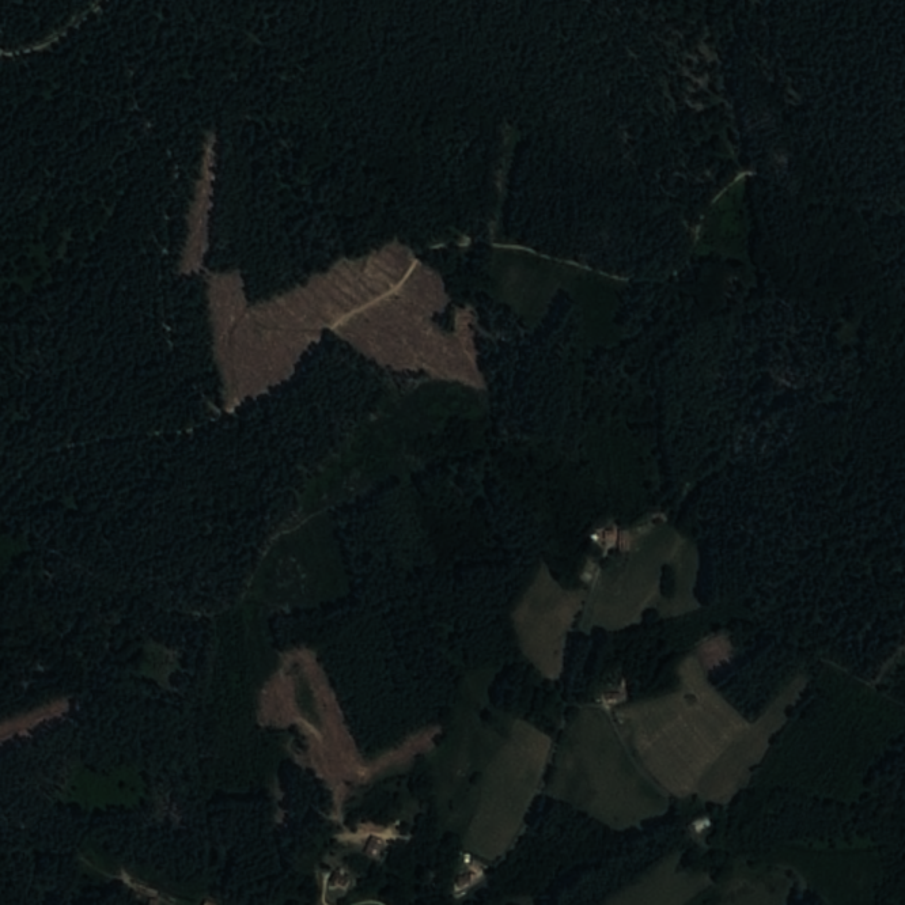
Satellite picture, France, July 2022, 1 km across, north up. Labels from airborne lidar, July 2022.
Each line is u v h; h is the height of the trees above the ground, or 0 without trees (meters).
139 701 34
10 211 17
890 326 24
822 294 25
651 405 12
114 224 16
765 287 23
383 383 25
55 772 26
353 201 26
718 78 17
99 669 21
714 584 33
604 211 39
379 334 0
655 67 21
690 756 0
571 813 15
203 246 0
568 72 17
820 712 9
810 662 18
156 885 0
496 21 18
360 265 0
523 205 28
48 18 18
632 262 24
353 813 9
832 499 20
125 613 22
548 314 0
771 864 9
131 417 19
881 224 29
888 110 26
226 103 24
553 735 12
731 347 30
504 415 29
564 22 21
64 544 21
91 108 17
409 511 28
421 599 23
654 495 7
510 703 32
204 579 24
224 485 21
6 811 30
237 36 22
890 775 28
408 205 18
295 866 31
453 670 17
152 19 24
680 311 17
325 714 0
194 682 28
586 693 22
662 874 0
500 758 0
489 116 18
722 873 19
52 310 18
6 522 16
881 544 18
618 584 0
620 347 8
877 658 19
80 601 20
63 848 30
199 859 34
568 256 20
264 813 28
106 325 22
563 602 0
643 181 19
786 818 15
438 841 13
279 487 30
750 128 28
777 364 33
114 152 20
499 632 21
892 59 22
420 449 8
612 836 18
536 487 8
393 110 21
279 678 0
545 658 0
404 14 22
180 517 25
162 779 27
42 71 16
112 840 33
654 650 7
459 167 20
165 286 20
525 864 11
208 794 22
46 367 21
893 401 19
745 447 30
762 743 0
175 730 27
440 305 0
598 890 33
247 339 0
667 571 14
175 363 25
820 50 20
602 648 34
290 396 25
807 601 15
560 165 20
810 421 28
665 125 19
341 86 18
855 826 11
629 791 0
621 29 19
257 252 23
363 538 32
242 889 34
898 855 6
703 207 20
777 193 23
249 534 24
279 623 19
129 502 25
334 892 0
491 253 33
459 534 10
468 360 0
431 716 14
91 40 14
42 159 17
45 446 19
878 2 21
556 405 30
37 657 24
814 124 24
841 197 24
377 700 19
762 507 23
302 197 33
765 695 32
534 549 33
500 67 20
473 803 0
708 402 38
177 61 22
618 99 18
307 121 16
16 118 14
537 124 11
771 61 27
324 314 0
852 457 22
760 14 24
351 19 25
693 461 34
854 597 15
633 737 0
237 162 22
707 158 13
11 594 24
